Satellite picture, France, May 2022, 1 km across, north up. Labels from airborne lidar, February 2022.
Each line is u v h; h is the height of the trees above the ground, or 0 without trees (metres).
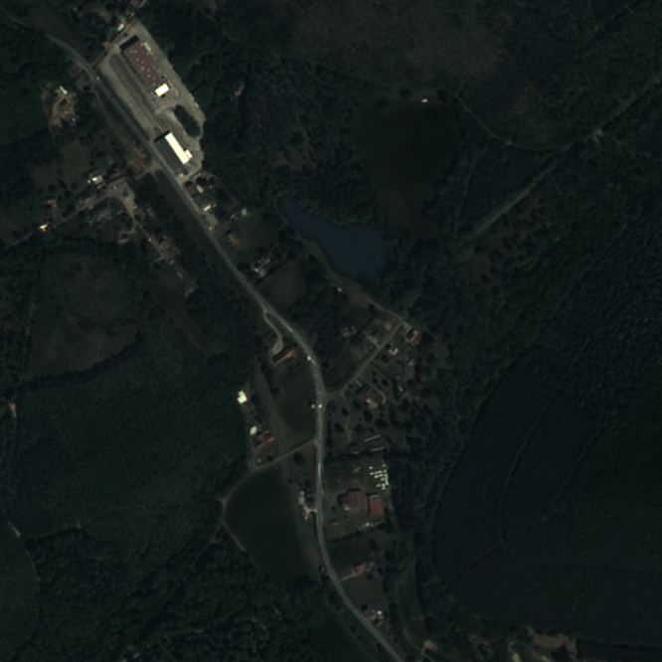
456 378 20
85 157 0
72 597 32
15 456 13
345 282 0
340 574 0
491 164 12
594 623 22
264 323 0
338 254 0
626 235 25
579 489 13
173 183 0
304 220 0
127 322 14
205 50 16
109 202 0
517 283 19
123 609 26
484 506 15
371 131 0
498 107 18
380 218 19
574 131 17
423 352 14
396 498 21
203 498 13
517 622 24
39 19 0
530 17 26
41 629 27
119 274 6
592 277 22
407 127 0
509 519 16
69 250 16
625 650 26
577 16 21
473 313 28
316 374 0
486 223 0
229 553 27
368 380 0
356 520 0
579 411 20
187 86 11
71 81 9
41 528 21
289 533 0
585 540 18
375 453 0
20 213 0
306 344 0
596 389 26
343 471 0
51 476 13
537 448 17
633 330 27
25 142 12
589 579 21
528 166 12
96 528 0
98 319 12
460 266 17
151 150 0
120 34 0
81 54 0
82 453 14
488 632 30
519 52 22
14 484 15
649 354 17
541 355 21
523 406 18
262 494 0
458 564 16
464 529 16
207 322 12
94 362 0
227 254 0
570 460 16
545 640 0
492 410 18
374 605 0
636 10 30
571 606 21
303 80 26
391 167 0
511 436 17
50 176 0
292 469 0
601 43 27
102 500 15
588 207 9
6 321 27
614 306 25
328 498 0
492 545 15
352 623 0
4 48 18
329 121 6
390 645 0
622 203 19
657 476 22
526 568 19
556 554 16
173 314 0
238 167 21
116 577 26
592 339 23
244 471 20
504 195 22
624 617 23
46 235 18
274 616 26
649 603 24
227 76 25
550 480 16
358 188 17
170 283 0
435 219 10
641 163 8
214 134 26
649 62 32
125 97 0
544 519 9
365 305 0
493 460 17
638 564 19
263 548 0
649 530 19
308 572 0
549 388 17
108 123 0
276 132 23
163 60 0
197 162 0
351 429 0
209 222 0
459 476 19
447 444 26
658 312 27
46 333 0
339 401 0
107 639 30
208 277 18
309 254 0
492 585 23
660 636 25
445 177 19
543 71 22
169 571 29
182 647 26
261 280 7
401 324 0
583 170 25
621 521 18
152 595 32
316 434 0
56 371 0
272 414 0
